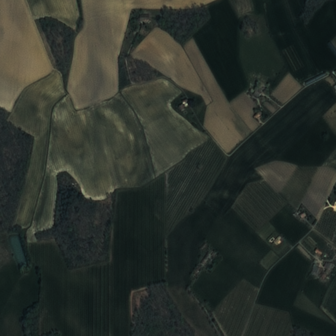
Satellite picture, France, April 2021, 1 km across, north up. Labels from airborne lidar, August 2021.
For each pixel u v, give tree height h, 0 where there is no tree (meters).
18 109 0
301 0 0
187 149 0
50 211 0
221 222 0
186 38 18
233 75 0
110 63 0
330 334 0
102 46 0
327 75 0
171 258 0
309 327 0
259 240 0
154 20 0
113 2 0
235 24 0
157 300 15
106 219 0
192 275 8
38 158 0
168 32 12
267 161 0
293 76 0
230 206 0
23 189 18
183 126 0
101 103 0
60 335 11
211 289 0
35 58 0
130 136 0
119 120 0
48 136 0
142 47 0
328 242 0
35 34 0
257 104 0
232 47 0
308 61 0
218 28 0
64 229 13
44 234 13
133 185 0
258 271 0
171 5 0
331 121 0
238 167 0
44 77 0
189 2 0
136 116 0
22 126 0
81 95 0
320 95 0
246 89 0
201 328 0
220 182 0
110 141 0
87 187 0
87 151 0
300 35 0
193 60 0
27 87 0
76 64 0
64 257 17
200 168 11
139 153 0
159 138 0
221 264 0
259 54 0
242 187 0
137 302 0
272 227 0
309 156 0
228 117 0
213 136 0
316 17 0
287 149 0
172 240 0
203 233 0
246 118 0
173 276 0
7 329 0
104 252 19
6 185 16
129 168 0
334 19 0
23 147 18
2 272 0
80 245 12
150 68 13
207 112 0
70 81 0
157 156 0
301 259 0
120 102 0
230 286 0
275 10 0
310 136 0
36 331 20
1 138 19
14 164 16
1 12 0
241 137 0
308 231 0
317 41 0
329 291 0
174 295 0
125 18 0
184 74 0
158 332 21
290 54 0
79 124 0
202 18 20
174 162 0
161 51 0
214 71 0
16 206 17
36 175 0
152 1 0
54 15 0
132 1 0
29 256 25
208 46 0
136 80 11
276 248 0
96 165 0
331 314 0
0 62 0
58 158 0
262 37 0
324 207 0
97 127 0
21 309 0
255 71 0
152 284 15
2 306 0
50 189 0
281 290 0
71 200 14
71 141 0
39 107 0
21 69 0
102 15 0
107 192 0
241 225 0
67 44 15
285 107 0
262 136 0
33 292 0
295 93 0
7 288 0
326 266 0
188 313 0
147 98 0
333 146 0
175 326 16
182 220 0
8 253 0
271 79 0
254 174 0
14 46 0
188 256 0
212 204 0
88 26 0
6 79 0
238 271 0
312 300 0
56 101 0
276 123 0
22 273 8
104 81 0
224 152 0
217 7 0
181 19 8
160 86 0
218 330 6
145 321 19
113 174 0
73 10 0
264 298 0
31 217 0
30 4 0
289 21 0
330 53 0
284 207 0
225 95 0
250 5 0
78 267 6
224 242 0
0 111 16
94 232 15
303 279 0
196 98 8
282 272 0
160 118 0
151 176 0
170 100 0
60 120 0
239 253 0
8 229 14
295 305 0
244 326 0
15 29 0
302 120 0
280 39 0
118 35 0
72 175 0
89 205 13
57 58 15
